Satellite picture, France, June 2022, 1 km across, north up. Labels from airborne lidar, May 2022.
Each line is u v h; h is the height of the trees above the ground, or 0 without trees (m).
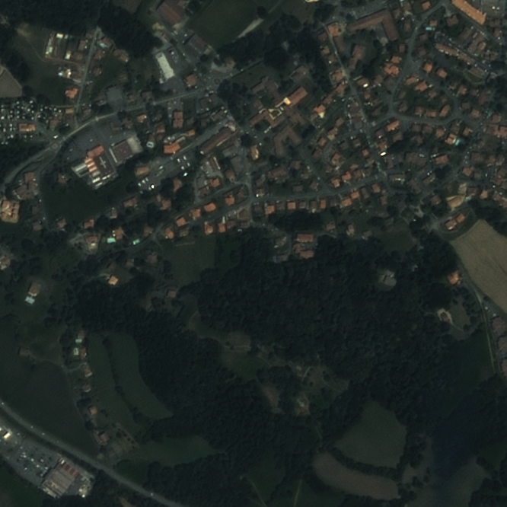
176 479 15
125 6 0
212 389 26
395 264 19
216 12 0
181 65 0
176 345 19
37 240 0
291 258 11
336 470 0
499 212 11
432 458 0
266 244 27
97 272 16
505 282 0
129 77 6
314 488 14
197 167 7
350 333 22
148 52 14
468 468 0
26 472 0
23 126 0
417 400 27
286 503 0
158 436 19
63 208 0
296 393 23
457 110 0
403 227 0
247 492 14
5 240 13
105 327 20
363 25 0
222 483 8
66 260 0
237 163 0
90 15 20
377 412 0
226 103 9
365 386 27
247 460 18
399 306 26
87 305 22
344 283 28
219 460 18
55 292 0
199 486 21
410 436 15
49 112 15
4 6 28
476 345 0
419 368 32
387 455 0
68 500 26
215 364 16
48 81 0
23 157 11
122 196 0
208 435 20
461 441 18
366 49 0
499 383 20
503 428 22
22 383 0
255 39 22
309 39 31
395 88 0
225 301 24
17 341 9
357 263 36
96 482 8
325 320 28
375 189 0
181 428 18
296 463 21
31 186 0
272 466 0
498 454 0
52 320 15
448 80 13
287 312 22
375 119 6
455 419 26
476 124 0
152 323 25
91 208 0
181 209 15
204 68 10
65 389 0
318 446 6
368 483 0
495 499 8
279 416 6
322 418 17
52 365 0
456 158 0
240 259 7
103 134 0
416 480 14
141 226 18
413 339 25
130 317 23
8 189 12
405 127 0
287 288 18
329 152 0
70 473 0
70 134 0
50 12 21
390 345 26
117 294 24
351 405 26
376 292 18
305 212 7
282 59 30
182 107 0
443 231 0
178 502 13
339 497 0
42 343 0
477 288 0
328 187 0
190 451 0
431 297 32
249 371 0
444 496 0
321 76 9
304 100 0
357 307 26
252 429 28
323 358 12
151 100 6
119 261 14
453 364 18
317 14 11
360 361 27
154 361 21
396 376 35
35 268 17
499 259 0
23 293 0
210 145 0
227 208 0
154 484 14
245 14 0
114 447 0
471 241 0
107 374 0
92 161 0
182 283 0
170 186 16
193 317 0
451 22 0
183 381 23
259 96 7
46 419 0
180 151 0
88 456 0
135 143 0
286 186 17
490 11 0
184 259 0
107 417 6
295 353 16
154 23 0
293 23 23
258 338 14
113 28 15
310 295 22
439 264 33
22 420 0
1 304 0
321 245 15
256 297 26
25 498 0
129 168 16
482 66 0
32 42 0
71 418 0
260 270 24
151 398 0
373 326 17
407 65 0
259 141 0
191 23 0
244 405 26
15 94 0
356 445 0
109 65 0
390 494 0
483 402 19
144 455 0
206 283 12
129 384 0
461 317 0
